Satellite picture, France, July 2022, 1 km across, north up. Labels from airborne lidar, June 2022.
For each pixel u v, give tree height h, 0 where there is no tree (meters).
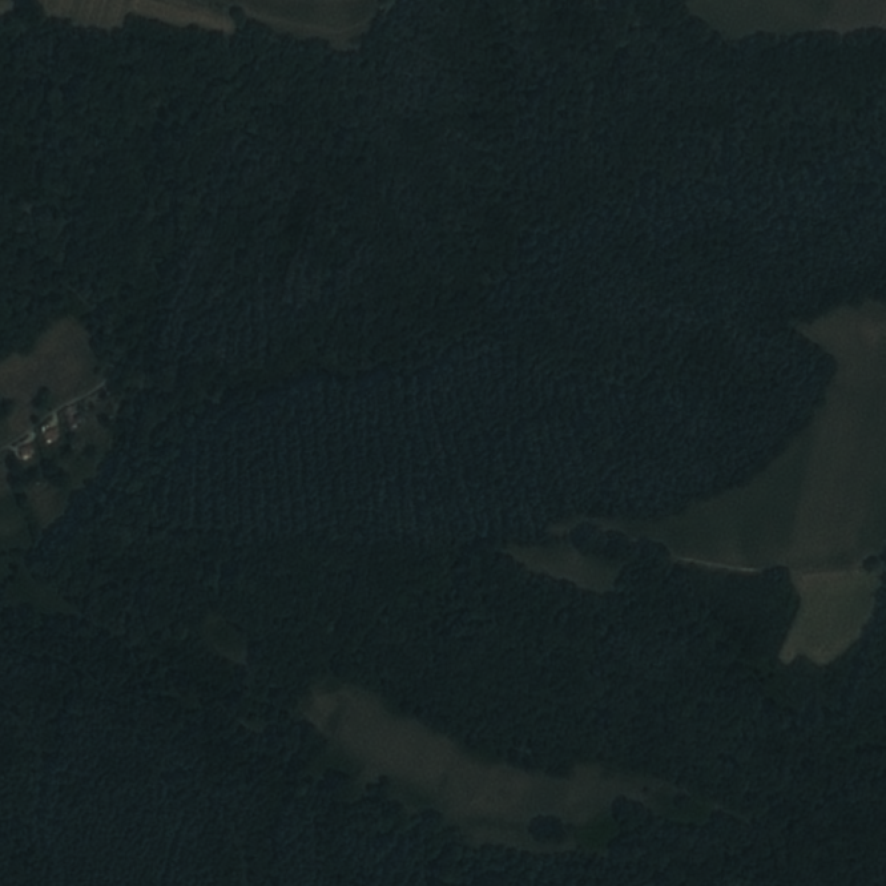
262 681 12
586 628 24
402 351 19
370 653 28
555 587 21
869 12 0
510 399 30
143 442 28
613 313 25
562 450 29
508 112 32
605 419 32
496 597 24
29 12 26
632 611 20
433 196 23
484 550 26
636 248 24
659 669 25
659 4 22
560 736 31
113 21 0
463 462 20
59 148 27
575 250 29
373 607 27
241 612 27
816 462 0
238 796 18
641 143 29
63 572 27
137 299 8
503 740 20
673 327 20
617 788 0
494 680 25
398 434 29
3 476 0
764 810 20
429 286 26
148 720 21
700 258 25
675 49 29
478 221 24
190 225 22
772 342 22
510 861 18
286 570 21
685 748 29
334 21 0
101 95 30
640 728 27
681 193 28
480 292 23
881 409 0
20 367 0
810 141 25
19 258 27
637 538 0
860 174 29
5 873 28
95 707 23
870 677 24
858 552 0
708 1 0
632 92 20
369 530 33
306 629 30
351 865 25
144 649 27
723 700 31
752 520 0
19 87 9
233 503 28
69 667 16
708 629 22
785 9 0
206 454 26
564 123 29
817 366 25
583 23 14
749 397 26
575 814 0
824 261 21
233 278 19
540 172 27
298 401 32
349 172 24
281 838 23
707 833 18
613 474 28
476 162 23
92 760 23
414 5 21
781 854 20
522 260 25
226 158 24
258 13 0
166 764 16
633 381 25
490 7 30
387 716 0
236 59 26
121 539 25
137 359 23
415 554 25
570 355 22
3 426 0
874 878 21
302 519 31
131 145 31
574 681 27
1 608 23
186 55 23
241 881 21
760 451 27
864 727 27
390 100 24
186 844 21
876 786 26
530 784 0
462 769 0
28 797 29
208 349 27
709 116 26
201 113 24
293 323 26
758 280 25
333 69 29
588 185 33
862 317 0
